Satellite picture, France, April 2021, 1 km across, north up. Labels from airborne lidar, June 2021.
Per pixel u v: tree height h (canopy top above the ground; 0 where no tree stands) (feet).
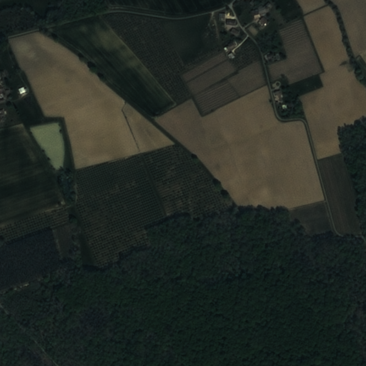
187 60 0
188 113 0
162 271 82
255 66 0
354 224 0
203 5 0
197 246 50
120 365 75
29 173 0
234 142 0
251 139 0
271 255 97
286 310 95
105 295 78
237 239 66
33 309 35
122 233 19
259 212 61
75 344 79
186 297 87
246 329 84
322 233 0
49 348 41
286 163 0
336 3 0
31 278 49
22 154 0
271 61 52
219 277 67
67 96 0
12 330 59
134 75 0
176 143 0
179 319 79
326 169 0
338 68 0
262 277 74
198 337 76
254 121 0
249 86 0
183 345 67
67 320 64
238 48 0
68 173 30
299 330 97
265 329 91
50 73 0
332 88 0
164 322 68
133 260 61
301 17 0
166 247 65
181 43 0
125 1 0
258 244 94
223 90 0
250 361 65
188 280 63
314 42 0
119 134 0
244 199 0
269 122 0
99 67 0
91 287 73
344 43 48
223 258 59
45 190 0
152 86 0
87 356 67
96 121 0
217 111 0
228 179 0
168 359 77
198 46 0
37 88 0
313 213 0
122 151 0
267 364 59
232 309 93
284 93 41
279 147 0
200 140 0
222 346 83
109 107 0
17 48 0
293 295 84
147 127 0
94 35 0
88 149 0
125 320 67
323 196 0
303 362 93
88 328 81
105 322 75
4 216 0
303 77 0
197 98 0
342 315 95
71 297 75
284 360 83
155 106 0
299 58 0
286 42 0
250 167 0
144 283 70
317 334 88
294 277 84
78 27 0
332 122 0
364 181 60
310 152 0
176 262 67
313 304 99
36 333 73
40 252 56
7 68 0
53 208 0
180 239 61
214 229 62
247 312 85
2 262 47
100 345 63
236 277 39
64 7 66
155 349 93
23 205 0
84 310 66
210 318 84
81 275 76
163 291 81
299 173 0
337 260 70
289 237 58
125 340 71
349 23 0
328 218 0
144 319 78
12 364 68
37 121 0
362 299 79
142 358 93
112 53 0
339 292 69
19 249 50
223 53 0
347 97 0
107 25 0
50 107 0
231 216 58
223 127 0
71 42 0
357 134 69
